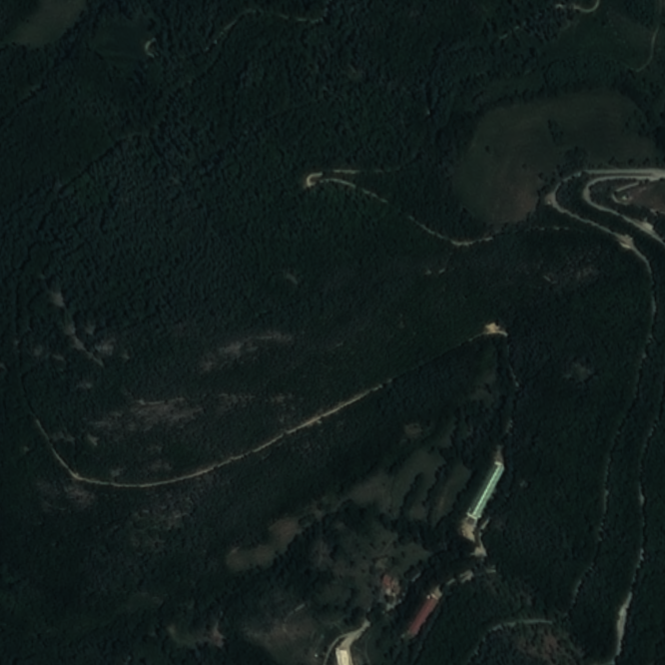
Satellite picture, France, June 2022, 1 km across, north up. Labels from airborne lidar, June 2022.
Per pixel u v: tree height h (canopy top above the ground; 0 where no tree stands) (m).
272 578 11
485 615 6
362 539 0
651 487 14
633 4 14
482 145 0
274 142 8
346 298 13
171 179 26
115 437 7
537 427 13
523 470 16
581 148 8
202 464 9
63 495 7
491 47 8
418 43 12
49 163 28
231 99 8
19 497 15
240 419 14
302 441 12
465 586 10
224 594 17
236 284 19
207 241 29
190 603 10
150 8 29
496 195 0
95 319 7
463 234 9
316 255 12
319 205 11
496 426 12
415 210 20
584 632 21
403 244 15
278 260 13
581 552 17
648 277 18
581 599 10
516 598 14
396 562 10
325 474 14
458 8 20
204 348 12
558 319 18
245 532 19
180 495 12
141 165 22
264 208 16
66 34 12
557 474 12
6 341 18
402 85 20
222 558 20
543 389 21
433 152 15
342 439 14
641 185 6
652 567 14
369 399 13
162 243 21
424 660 11
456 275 14
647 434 11
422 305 12
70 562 18
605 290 19
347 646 0
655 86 9
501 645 17
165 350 15
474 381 15
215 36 17
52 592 16
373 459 19
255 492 11
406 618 10
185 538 19
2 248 28
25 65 24
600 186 10
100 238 26
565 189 8
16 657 11
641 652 18
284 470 10
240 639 10
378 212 10
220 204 24
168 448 7
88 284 27
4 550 16
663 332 12
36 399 20
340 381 13
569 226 12
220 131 9
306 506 14
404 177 13
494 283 14
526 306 16
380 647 13
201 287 24
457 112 8
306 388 12
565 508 18
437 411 18
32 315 9
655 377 9
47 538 15
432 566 11
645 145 0
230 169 17
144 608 6
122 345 8
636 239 13
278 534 0
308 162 10
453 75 26
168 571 21
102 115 23
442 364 19
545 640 7
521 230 11
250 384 12
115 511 13
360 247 14
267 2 7
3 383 16
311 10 29
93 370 18
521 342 20
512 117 0
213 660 12
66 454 10
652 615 14
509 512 12
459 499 11
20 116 19
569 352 19
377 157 13
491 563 11
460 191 0
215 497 14
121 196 21
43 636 14
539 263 9
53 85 23
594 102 0
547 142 0
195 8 22
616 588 14
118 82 28
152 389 8
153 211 24
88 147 29
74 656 14
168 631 19
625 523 13
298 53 21
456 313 11
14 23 19
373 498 0
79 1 0
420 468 0
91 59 30
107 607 14
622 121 0
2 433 14
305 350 12
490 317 13
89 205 18
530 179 0
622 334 12
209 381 10
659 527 10
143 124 25
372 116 19
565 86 12
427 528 10
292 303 17
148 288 18
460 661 14
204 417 9
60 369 13
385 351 11
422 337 13
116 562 18
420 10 18
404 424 13
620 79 12
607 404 14
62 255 25
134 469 10
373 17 21
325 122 8
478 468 16
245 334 10
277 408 10
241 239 16
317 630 0
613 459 12
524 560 14
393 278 13
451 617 10
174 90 10
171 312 19
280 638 0
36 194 17
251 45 12
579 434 14
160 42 10
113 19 11
